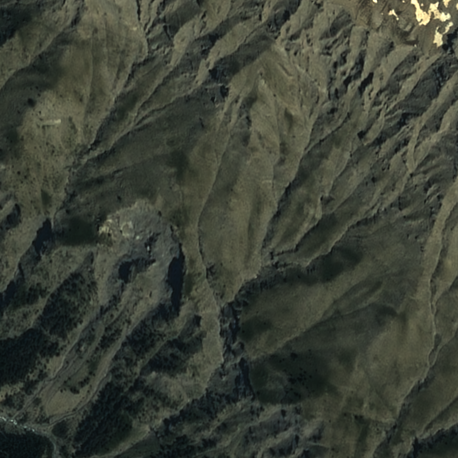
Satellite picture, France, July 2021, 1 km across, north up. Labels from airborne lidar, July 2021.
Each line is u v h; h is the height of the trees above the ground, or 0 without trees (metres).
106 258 0
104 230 0
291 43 0
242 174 0
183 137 0
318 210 0
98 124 0
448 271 0
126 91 0
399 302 0
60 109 0
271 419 0
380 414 0
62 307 15
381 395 0
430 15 0
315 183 0
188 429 0
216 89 0
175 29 0
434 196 0
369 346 0
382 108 0
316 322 0
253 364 0
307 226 0
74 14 0
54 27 0
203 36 0
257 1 0
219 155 0
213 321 0
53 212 0
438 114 0
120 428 12
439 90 0
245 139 0
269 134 0
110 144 0
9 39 0
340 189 0
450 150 0
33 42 0
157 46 0
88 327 0
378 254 0
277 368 0
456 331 0
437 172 0
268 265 0
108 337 7
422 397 0
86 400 0
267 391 0
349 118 0
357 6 0
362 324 0
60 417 0
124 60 0
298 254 0
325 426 0
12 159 0
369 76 0
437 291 0
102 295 0
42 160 0
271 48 0
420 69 0
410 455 0
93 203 0
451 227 0
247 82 0
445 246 0
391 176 0
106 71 0
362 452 0
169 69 0
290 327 0
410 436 0
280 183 0
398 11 0
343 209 0
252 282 0
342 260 0
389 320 0
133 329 0
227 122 0
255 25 0
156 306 0
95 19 0
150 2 0
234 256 0
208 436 0
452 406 0
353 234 0
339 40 0
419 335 0
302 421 0
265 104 0
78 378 0
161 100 0
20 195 0
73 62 0
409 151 0
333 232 0
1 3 0
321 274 0
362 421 0
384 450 0
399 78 0
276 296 0
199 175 0
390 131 0
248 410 0
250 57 0
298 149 0
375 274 0
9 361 15
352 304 0
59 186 0
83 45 0
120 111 0
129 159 0
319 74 0
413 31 0
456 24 0
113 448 0
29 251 0
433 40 0
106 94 0
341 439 0
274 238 0
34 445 14
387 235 0
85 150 0
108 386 11
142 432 0
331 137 0
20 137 0
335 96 0
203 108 0
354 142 0
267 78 0
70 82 0
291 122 0
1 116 0
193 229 0
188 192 0
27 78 0
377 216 0
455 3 0
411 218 0
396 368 0
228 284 0
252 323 0
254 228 0
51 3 0
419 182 0
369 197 0
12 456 17
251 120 0
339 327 0
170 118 0
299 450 0
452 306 0
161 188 0
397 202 0
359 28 0
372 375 0
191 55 0
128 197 0
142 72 0
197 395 0
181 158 0
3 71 0
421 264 0
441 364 0
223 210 0
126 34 0
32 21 0
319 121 0
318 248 0
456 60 0
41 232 0
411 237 0
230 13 0
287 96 0
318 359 0
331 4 0
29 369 12
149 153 0
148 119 0
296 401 0
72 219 0
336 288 0
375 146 0
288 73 0
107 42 0
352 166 0
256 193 0
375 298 0
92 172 0
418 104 0
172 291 0
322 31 0
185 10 0
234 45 0
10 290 0
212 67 0
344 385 0
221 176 0
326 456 0
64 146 0
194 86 0
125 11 0
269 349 0
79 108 0
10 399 6
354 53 0
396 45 0
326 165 0
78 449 9
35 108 0
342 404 0
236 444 0
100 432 21
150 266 0
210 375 0
